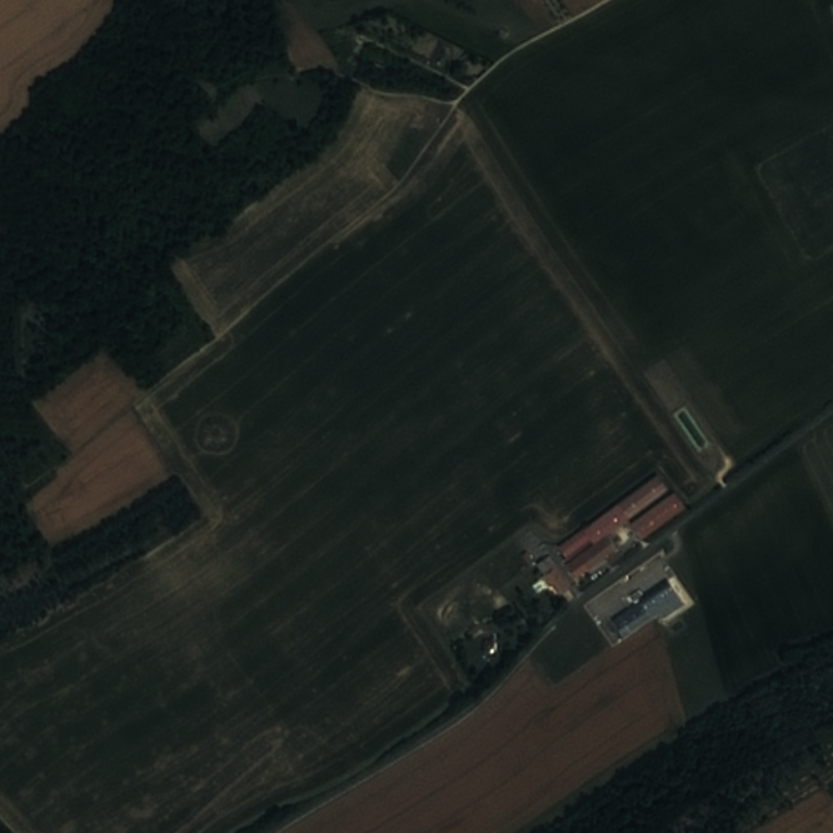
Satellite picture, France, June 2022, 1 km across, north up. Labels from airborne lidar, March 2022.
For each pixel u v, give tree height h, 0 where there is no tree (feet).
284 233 0
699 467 0
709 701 0
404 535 0
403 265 0
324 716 0
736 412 0
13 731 0
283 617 0
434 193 0
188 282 0
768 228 0
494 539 0
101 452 0
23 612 34
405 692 0
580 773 0
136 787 0
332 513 0
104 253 60
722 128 0
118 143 56
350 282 0
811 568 0
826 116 0
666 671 0
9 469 60
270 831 0
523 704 0
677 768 39
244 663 0
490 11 0
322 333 0
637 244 0
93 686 0
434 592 0
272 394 0
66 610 0
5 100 0
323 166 0
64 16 0
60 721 0
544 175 0
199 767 0
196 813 0
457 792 0
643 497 0
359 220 0
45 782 0
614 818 75
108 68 51
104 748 0
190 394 0
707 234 0
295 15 0
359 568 0
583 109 0
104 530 53
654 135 0
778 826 0
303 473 0
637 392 0
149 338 54
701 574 0
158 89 58
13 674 0
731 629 0
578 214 0
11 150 60
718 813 62
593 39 0
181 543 0
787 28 0
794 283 0
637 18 0
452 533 0
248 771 0
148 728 0
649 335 0
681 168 0
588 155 0
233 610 0
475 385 0
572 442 0
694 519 0
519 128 0
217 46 61
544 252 0
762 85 0
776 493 0
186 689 0
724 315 0
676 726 0
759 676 0
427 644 0
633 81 0
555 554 0
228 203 41
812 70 0
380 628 0
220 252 0
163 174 28
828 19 0
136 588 0
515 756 0
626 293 0
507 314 0
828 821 0
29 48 0
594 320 0
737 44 0
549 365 0
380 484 0
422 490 0
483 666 0
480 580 0
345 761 0
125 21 39
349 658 0
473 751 0
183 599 0
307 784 0
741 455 0
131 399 0
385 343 0
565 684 0
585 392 0
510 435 0
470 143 0
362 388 0
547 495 0
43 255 75
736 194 0
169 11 74
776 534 0
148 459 0
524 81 0
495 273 0
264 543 0
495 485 0
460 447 0
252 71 25
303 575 0
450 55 0
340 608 0
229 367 0
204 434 0
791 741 62
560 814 0
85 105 41
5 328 28
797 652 32
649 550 0
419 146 0
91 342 56
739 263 0
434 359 0
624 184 0
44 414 0
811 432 0
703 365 0
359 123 0
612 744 0
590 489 0
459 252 0
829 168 0
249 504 0
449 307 0
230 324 0
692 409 0
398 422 0
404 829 0
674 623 0
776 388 0
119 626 0
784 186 0
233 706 0
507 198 0
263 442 0
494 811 0
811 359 0
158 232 21
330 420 0
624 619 0
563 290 0
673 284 0
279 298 0
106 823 0
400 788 0
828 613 0
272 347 0
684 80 0
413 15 0
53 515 0
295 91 0
